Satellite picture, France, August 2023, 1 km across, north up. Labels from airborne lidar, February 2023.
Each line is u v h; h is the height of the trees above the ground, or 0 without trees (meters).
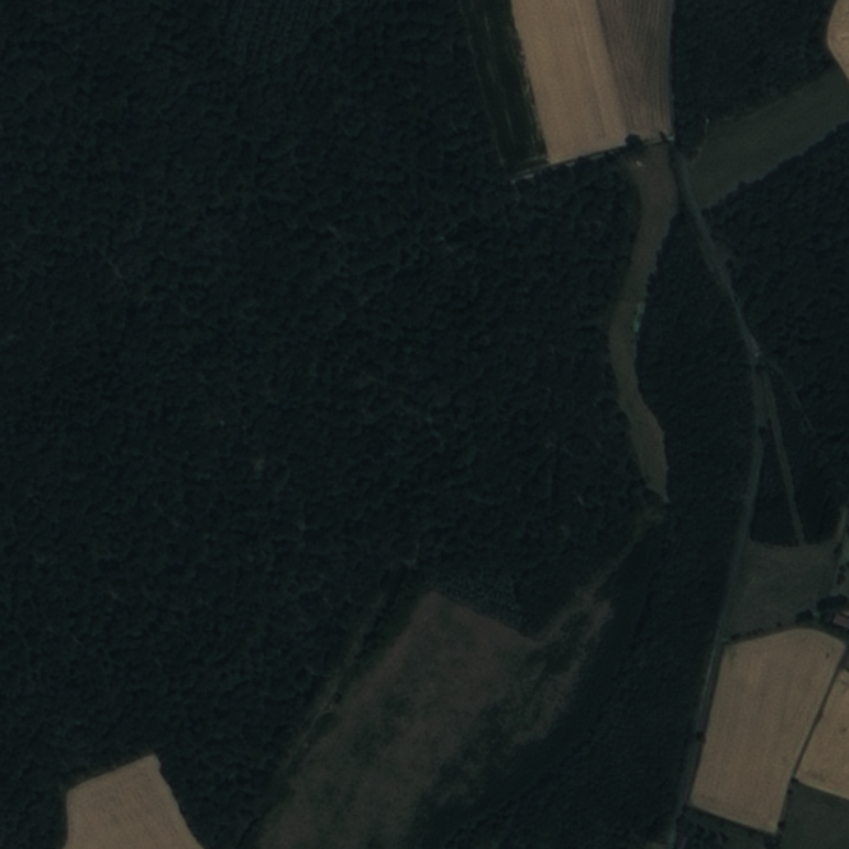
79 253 22
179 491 25
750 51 21
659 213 0
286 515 26
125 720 21
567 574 19
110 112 15
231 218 18
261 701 21
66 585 27
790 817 0
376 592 22
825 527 10
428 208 18
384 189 21
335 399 17
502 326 22
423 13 22
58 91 23
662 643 23
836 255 27
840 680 0
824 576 0
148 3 28
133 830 0
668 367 24
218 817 19
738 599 0
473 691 0
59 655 24
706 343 20
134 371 21
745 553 0
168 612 18
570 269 23
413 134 26
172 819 0
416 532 23
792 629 0
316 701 21
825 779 0
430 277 15
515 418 10
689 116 21
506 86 0
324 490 21
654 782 26
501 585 20
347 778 0
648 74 0
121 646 23
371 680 0
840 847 0
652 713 23
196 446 26
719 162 0
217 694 19
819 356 21
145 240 21
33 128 24
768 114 0
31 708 15
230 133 12
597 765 23
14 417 9
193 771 22
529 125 0
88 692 21
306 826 0
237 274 16
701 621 23
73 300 24
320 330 28
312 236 24
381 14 17
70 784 19
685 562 18
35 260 19
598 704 6
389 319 13
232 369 26
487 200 28
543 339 20
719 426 24
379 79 21
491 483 20
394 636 0
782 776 0
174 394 25
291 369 26
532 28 0
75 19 22
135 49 21
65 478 13
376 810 0
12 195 17
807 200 19
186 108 17
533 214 21
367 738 0
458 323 12
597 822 25
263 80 16
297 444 22
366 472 18
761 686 0
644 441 0
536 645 0
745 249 22
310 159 18
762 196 21
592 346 24
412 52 23
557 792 23
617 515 25
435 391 21
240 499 24
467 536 14
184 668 18
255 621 10
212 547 26
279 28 16
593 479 21
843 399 22
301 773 0
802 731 0
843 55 0
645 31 0
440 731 0
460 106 23
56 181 25
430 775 0
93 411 14
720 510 15
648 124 0
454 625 0
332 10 17
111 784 0
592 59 0
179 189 21
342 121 16
